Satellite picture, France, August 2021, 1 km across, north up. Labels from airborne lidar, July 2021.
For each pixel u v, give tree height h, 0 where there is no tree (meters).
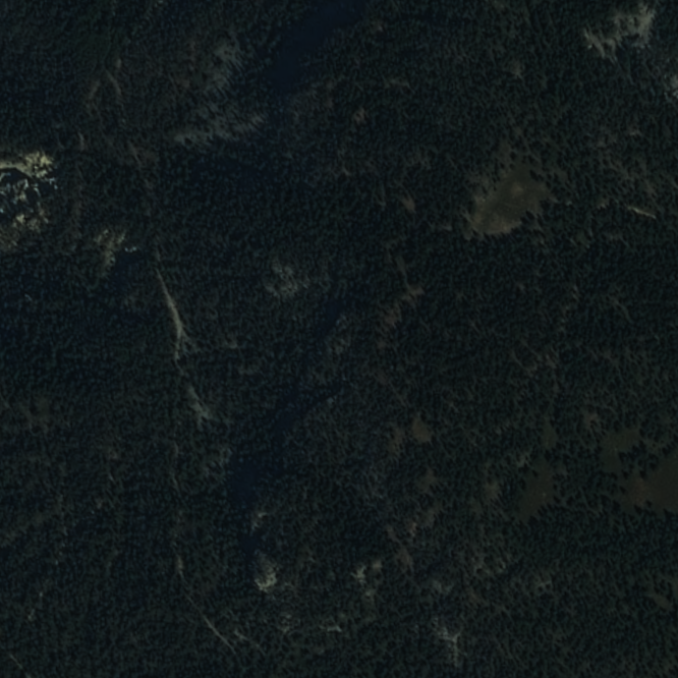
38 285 18
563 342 14
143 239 9
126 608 18
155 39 12
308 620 13
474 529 10
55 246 13
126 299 8
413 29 19
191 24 10
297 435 10
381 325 14
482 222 0
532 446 9
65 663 19
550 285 16
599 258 22
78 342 15
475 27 18
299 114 12
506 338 13
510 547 11
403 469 12
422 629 13
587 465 16
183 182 18
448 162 18
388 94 16
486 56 12
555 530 13
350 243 16
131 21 10
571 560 9
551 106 16
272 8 13
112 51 12
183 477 16
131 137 17
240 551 15
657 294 14
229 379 15
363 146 11
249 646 15
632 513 0
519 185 0
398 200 9
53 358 22
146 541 15
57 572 17
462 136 14
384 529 16
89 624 7
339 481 18
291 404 11
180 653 8
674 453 19
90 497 15
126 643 16
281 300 7
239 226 15
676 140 15
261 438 12
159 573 15
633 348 11
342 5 19
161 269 15
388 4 19
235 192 16
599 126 11
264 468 21
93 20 17
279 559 13
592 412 14
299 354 15
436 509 12
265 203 15
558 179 13
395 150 8
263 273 8
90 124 12
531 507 0
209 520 15
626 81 16
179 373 15
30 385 22
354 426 10
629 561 11
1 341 25
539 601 15
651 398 9
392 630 13
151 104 15
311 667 13
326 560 8
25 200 0
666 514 0
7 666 12
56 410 15
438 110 9
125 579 10
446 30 15
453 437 12
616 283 16
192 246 8
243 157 9
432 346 20
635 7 17
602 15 25
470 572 9
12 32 8
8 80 12
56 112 8
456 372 16
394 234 23
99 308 18
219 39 11
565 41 18
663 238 20
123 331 16
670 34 13
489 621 10
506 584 17
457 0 13
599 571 15
